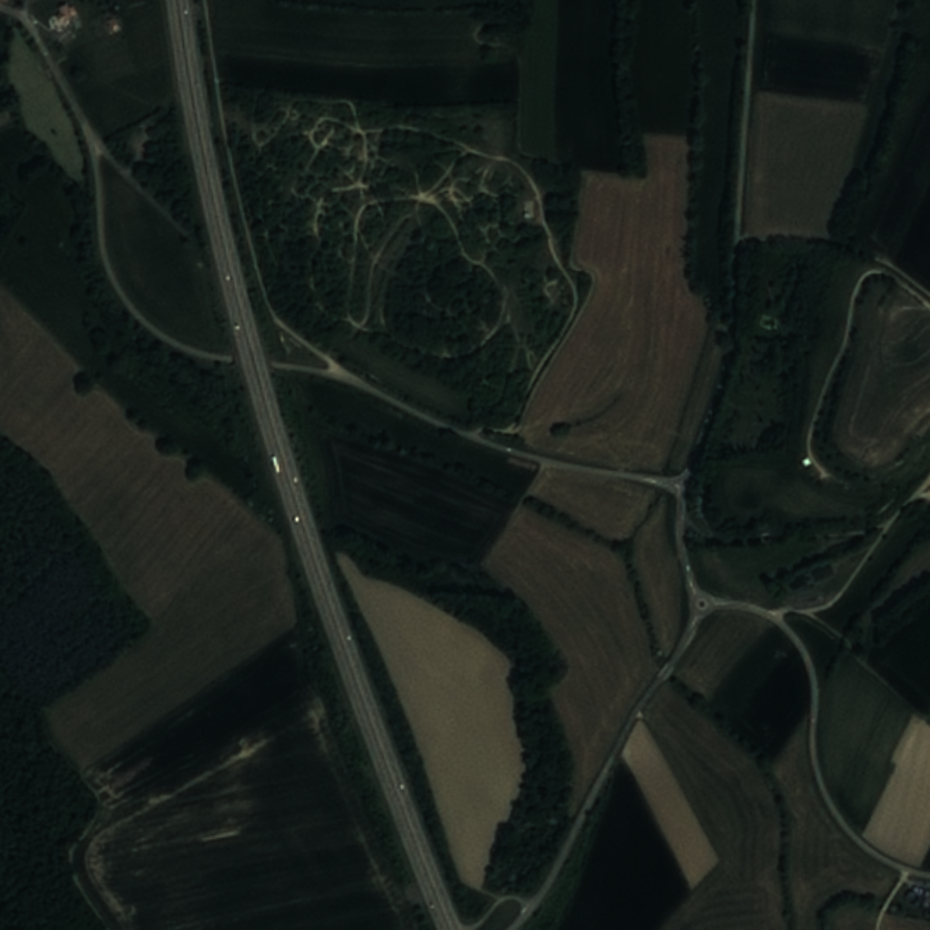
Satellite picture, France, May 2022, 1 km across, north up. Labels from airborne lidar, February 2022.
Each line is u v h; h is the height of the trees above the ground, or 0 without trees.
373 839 0
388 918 0
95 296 14
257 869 0
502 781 0
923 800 0
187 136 0
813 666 0
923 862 0
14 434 0
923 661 0
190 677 0
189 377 17
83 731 0
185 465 0
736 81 8
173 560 0
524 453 0
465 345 12
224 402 10
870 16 0
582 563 0
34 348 0
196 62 0
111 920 0
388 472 0
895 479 0
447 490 0
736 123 10
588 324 0
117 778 0
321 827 0
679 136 0
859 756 0
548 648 21
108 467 0
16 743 14
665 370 0
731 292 14
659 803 0
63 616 16
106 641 18
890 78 0
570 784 7
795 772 0
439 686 0
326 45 0
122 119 0
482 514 0
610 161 0
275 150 10
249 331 0
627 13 12
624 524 0
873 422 0
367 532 0
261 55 0
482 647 0
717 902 0
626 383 0
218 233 0
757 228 0
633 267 0
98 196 0
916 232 0
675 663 0
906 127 0
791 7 0
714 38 0
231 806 0
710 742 0
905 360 0
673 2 0
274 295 12
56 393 0
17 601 15
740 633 0
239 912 0
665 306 0
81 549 20
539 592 0
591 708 0
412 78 0
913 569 0
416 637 0
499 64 0
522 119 0
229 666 0
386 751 0
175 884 0
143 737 0
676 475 0
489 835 0
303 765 0
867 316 0
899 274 0
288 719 0
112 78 0
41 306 0
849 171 0
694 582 0
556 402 0
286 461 0
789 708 0
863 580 0
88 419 0
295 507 0
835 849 0
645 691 0
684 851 0
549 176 12
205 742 0
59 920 12
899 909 13
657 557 0
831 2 0
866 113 0
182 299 0
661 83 0
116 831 0
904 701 0
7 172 0
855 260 8
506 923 0
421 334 18
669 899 0
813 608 0
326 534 7
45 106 0
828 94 0
